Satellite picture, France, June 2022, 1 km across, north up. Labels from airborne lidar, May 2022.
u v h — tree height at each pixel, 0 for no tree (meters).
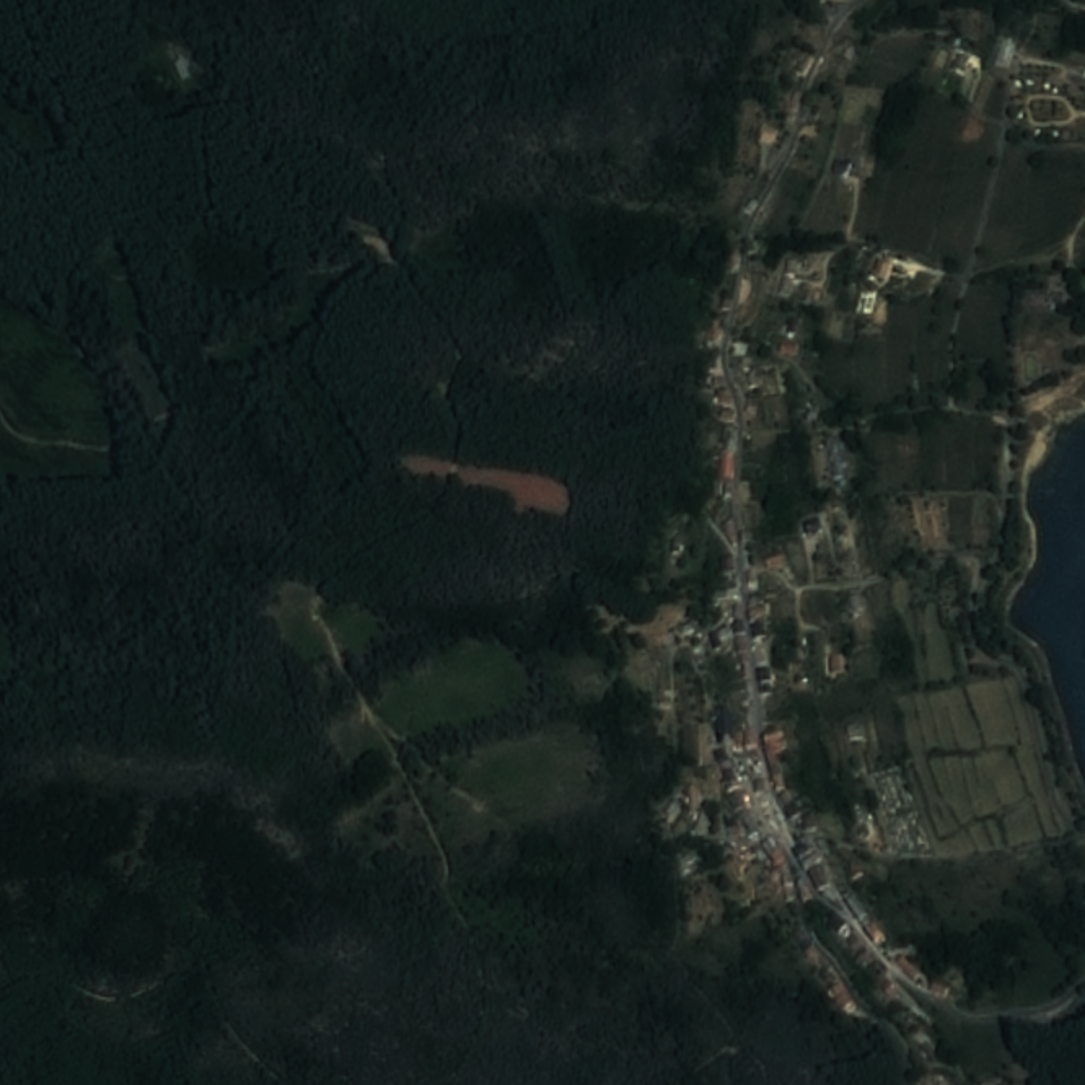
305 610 0
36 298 37
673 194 9
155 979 8
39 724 14
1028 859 0
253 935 11
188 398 27
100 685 13
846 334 0
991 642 16
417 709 0
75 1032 14
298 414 8
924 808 0
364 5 18
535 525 14
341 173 23
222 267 8
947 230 0
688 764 13
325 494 21
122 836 10
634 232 18
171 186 34
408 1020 7
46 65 36
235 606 28
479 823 0
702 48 7
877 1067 29
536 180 7
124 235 35
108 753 8
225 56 15
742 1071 10
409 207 21
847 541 0
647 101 0
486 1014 9
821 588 0
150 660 21
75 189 34
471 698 0
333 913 13
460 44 25
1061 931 8
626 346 16
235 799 5
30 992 15
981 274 6
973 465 0
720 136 19
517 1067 8
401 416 26
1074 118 0
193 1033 13
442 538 22
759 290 0
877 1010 9
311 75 23
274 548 18
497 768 0
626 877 10
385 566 26
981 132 0
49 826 9
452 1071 7
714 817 14
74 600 15
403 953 13
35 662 8
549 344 15
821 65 0
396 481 10
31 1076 11
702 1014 7
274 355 21
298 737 15
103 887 11
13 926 11
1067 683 0
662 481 15
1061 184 0
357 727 0
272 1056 8
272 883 9
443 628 20
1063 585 0
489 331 21
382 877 14
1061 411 0
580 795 0
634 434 35
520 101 27
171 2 21
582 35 22
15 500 28
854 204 0
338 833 23
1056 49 9
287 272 30
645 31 28
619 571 11
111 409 11
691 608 14
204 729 8
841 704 0
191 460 15
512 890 12
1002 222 0
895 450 0
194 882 7
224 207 30
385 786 18
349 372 29
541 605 13
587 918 13
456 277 22
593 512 18
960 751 0
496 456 23
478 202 14
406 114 24
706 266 17
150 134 33
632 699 15
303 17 21
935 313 7
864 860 10
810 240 13
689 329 25
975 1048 0
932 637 0
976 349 0
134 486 34
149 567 21
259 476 20
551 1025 14
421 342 16
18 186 39
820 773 0
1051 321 0
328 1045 7
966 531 0
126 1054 14
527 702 18
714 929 0
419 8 14
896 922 0
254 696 17
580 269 22
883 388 0
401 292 29
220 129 33
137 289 24
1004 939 17
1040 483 0
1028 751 0
